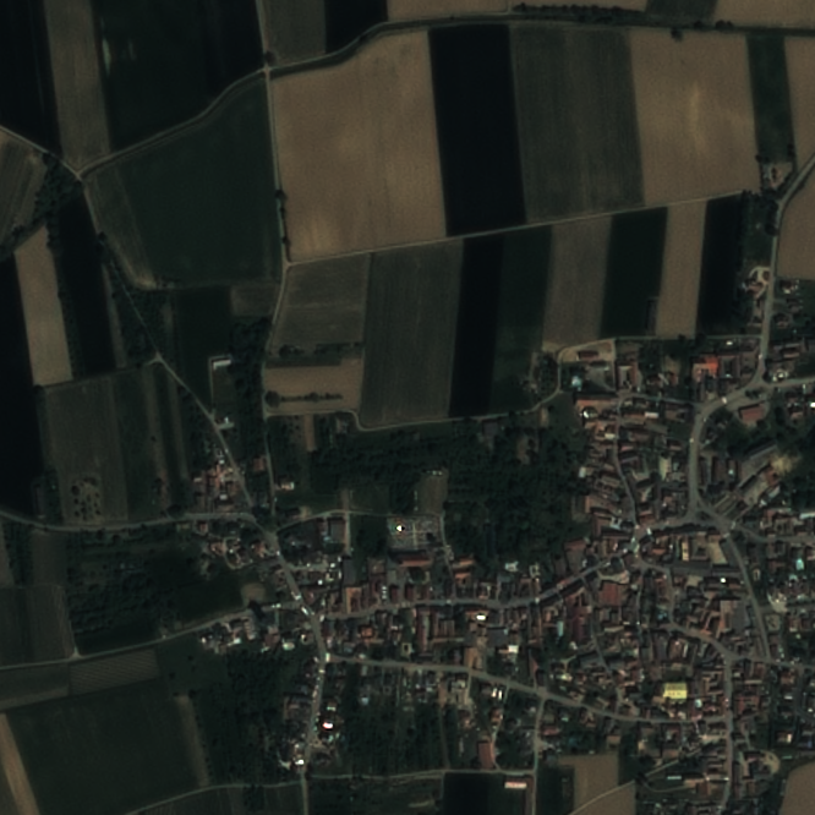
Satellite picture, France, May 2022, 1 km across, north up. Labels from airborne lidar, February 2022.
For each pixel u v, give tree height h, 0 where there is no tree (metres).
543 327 0
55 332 0
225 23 0
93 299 0
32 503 0
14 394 0
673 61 0
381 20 0
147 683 0
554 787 0
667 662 0
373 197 0
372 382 0
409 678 0
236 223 0
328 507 0
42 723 0
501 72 0
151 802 0
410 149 0
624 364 0
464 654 0
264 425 12
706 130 0
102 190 0
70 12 0
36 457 0
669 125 0
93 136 0
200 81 0
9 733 0
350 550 0
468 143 0
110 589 7
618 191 0
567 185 0
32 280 0
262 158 0
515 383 0
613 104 0
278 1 0
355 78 0
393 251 0
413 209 0
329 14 0
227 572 0
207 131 0
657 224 0
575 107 0
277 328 0
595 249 0
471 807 0
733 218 0
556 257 0
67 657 0
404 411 0
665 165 0
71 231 0
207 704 0
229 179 0
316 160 0
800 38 0
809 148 0
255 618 0
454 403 0
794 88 0
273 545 0
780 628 0
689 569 0
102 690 0
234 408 0
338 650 0
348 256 0
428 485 0
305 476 0
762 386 0
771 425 0
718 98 0
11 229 0
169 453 0
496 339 0
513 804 0
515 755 0
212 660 0
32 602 0
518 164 0
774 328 0
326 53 0
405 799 0
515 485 13
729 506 0
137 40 0
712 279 0
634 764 0
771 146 0
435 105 0
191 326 0
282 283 0
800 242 0
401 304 0
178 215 0
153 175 0
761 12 0
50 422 0
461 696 0
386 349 0
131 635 0
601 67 0
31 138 0
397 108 0
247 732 7
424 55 0
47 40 0
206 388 0
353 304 0
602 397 0
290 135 0
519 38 0
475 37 0
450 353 0
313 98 0
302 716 0
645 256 0
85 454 0
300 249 0
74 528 0
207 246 0
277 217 0
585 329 0
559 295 0
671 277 0
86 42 0
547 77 0
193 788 0
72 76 0
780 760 0
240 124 0
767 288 0
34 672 0
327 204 0
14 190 0
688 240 0
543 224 0
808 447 11
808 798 0
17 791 0
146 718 0
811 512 0
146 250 0
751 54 0
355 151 0
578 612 0
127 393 0
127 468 0
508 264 0
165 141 0
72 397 0
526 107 0
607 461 0
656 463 0
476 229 0
